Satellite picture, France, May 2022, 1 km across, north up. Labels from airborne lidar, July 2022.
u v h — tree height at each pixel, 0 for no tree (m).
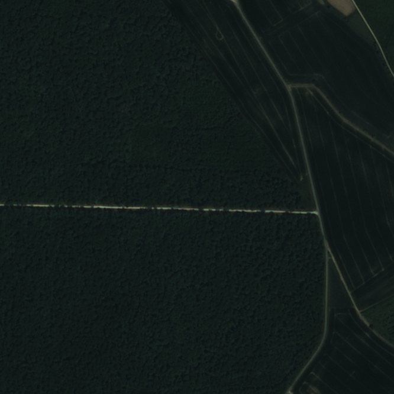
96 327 24
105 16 15
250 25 0
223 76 0
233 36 0
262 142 12
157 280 21
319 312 19
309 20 0
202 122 12
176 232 23
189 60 26
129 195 16
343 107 0
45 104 19
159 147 6
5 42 21
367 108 0
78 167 25
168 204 20
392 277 0
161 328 27
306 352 24
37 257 28
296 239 27
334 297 0
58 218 17
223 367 31
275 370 18
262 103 0
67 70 27
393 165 0
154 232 22
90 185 28
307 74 0
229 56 0
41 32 24
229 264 22
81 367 26
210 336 25
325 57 0
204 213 23
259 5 0
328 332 0
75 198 21
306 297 19
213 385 16
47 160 21
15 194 24
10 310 24
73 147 23
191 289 24
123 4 17
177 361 24
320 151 0
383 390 0
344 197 0
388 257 0
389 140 0
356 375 0
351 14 0
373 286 0
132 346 24
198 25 0
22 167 22
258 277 24
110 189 26
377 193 0
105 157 19
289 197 25
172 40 8
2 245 25
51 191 24
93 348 21
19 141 24
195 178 19
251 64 0
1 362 21
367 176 0
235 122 18
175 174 22
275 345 20
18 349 28
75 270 23
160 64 29
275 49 0
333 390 0
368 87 0
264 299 18
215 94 18
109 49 24
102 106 20
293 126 0
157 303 21
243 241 24
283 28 0
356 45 0
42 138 27
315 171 0
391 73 7
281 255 27
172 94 19
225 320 20
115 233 24
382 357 0
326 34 0
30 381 23
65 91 27
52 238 27
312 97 0
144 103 24
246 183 21
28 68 18
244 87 0
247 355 23
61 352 25
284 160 0
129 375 21
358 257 0
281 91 0
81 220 29
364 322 0
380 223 0
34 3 23
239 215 20
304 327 22
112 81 19
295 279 25
